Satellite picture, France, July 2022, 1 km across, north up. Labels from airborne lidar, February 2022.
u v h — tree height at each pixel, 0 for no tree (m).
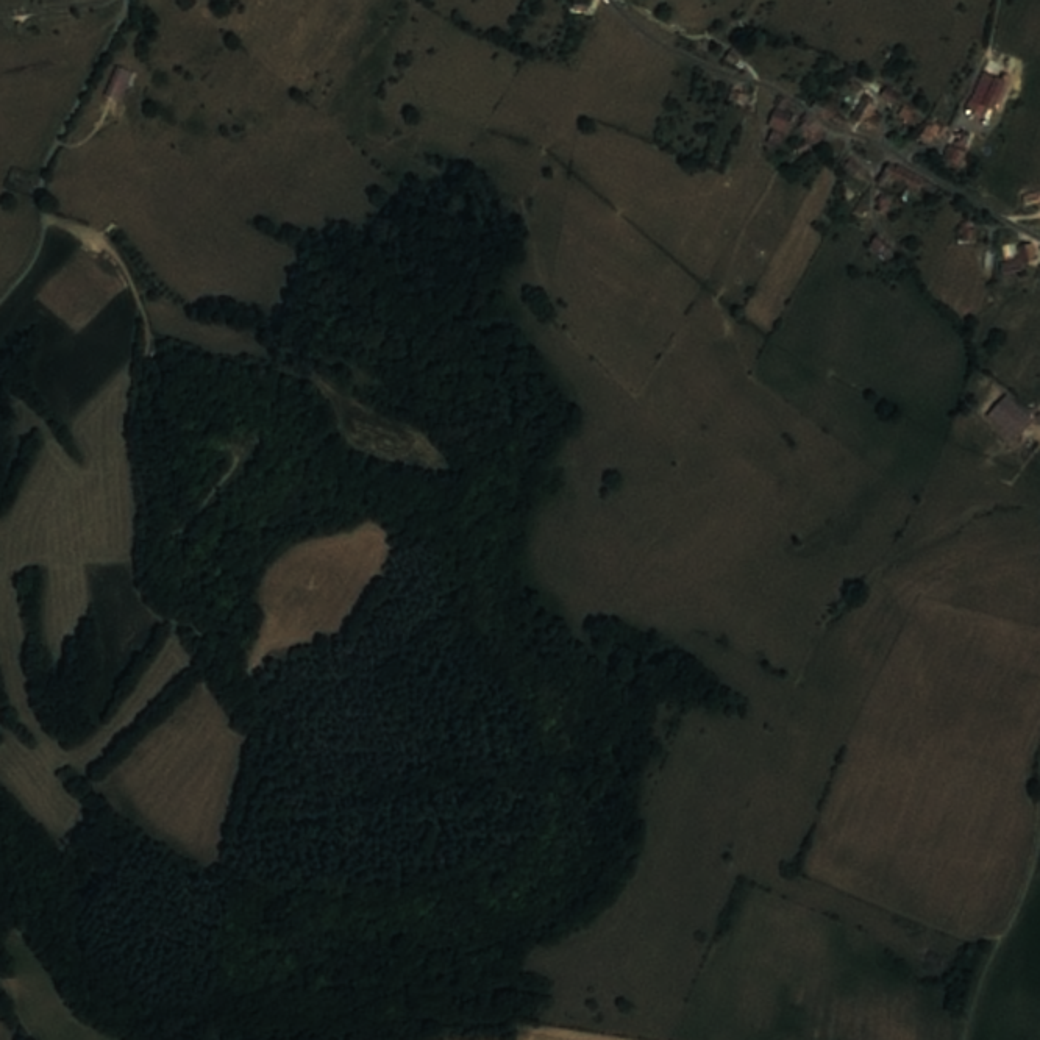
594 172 0
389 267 25
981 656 0
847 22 0
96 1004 23
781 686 0
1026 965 0
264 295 0
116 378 0
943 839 0
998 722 0
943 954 0
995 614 0
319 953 20
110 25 0
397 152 0
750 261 0
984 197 0
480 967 20
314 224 0
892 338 0
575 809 21
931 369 0
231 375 17
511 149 0
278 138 0
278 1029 9
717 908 0
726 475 0
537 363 23
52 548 0
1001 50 0
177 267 0
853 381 0
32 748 7
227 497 8
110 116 0
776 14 0
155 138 0
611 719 25
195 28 0
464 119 0
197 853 0
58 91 0
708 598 0
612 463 0
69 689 22
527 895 9
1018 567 0
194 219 0
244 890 20
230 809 9
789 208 0
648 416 0
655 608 0
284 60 0
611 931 0
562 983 0
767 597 0
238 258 0
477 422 23
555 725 17
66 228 0
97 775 16
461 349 30
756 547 0
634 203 0
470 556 21
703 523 0
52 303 0
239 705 11
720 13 0
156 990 30
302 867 29
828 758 0
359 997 24
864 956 0
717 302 0
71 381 0
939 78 0
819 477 0
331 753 6
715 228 0
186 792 0
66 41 0
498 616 25
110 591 0
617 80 0
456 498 21
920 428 0
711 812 0
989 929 0
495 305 28
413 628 17
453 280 25
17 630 0
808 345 0
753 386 0
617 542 0
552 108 0
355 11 0
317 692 17
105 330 0
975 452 0
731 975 0
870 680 0
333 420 15
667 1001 0
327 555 0
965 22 0
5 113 0
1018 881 0
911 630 0
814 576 0
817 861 0
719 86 6
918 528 0
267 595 0
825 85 6
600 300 0
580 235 0
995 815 0
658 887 0
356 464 19
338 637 7
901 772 0
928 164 6
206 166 0
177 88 0
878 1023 0
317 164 0
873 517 0
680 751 0
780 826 0
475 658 23
